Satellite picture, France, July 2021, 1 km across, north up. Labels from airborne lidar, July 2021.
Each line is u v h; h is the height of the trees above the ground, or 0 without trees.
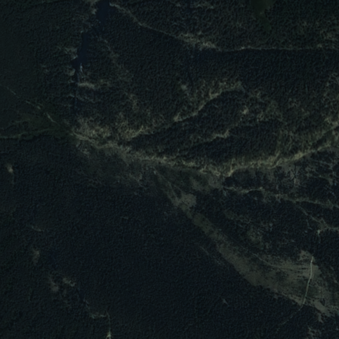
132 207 9
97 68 9
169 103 15
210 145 16
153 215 11
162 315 8
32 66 10
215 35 6
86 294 9
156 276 10
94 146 0
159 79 16
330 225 6
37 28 12
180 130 11
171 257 8
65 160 12
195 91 8
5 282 11
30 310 13
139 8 12
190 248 13
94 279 9
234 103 6
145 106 10
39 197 8
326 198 12
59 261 7
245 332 18
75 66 10
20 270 10
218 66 13
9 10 14
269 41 11
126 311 8
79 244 13
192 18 7
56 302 15
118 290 7
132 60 10
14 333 9
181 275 9
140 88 9
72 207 9
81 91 12
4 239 13
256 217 10
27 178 13
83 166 11
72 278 7
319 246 9
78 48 11
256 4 0
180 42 6
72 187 11
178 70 13
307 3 20
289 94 6
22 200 12
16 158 14
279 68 15
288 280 0
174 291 10
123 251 8
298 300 0
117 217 7
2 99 8
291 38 12
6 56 10
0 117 9
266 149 7
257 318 10
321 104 11
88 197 10
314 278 0
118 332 11
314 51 7
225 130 7
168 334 12
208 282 12
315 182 9
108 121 8
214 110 14
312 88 10
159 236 10
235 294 12
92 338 8
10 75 10
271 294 6
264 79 14
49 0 6
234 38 14
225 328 7
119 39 15
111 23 13
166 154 7
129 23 11
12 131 11
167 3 19
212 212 6
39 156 7
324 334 10
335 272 8
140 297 11
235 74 10
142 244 7
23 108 9
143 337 8
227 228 9
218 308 14
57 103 11
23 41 14
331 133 0
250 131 12
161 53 18
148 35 14
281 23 10
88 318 11
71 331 9
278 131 10
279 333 11
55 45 11
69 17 7
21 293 14
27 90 10
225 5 8
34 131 8
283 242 6
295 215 7
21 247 11
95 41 6
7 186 14
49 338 11
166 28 12
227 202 7
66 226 10
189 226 9
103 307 8
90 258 11
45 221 9
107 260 15
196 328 10
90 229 12
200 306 12
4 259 11
